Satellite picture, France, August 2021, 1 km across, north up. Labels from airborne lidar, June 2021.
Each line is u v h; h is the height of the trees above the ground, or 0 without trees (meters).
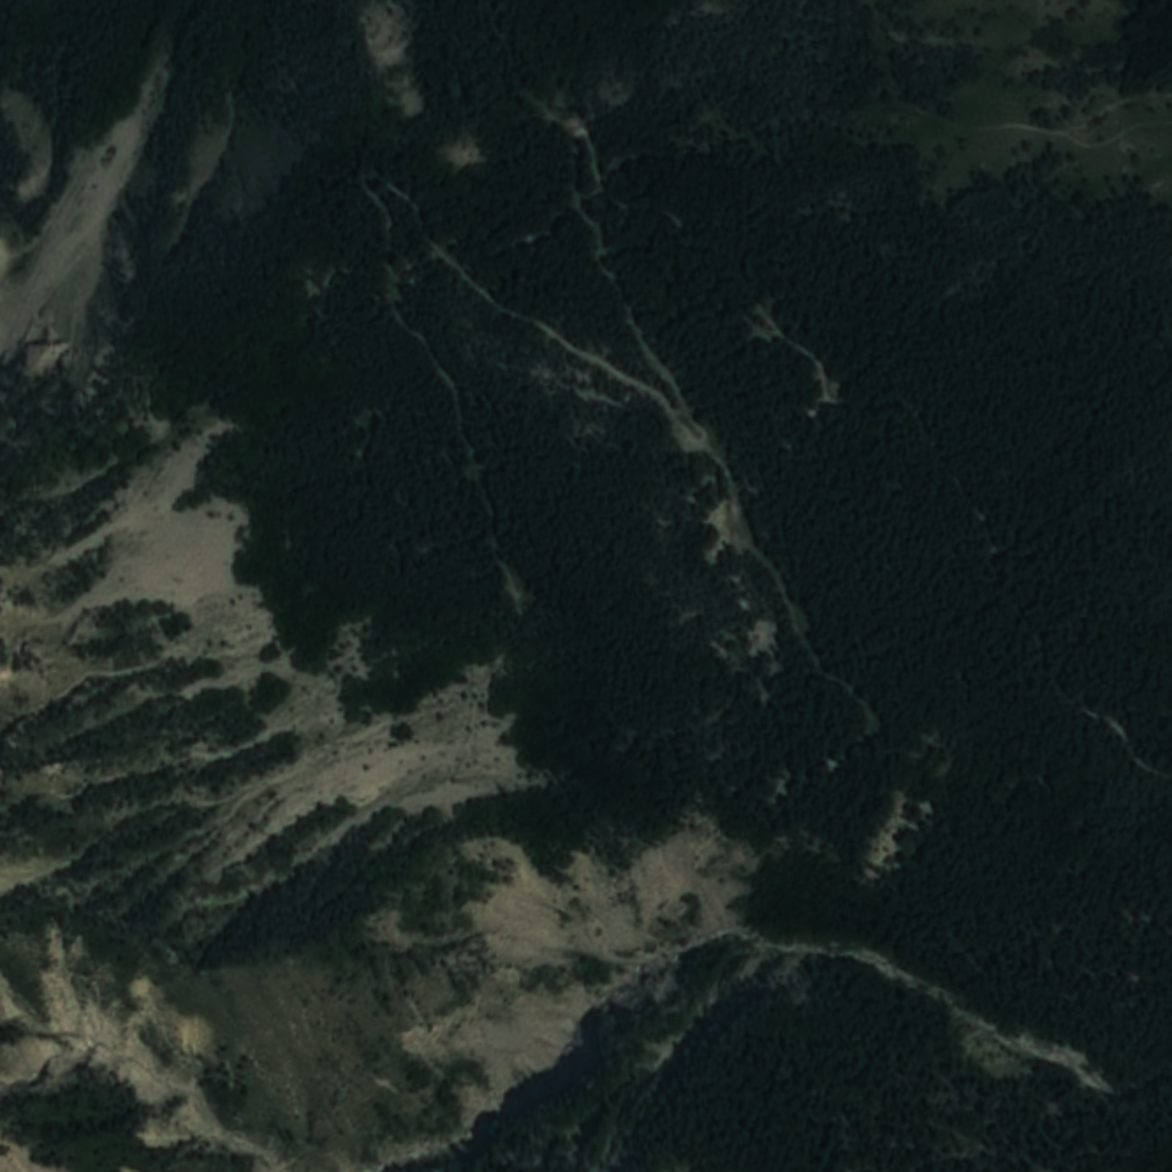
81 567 11
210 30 23
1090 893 23
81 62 21
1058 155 11
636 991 0
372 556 19
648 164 22
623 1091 8
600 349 6
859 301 19
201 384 17
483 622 10
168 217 11
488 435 22
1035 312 14
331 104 8
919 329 13
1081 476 20
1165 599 16
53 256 0
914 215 16
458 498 18
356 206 19
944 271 13
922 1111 10
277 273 13
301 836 7
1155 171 0
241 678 0
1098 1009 23
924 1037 17
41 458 6
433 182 18
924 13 0
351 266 10
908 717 16
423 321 22
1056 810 24
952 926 19
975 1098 25
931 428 20
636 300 19
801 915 15
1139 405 16
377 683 7
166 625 6
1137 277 8
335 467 17
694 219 22
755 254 20
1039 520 23
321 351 12
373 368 14
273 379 11
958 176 0
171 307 13
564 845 10
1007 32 0
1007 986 27
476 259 13
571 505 18
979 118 0
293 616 8
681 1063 8
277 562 10
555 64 15
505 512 23
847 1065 22
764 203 15
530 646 9
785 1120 21
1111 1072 13
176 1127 0
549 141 18
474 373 15
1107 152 0
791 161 11
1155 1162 13
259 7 13
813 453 21
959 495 17
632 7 22
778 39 13
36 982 0
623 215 14
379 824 6
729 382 18
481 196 20
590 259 15
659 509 6
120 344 7
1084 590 23
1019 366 20
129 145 0
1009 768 17
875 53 12
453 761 0
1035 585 20
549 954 0
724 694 13
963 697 18
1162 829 23
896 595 22
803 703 15
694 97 13
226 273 17
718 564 9
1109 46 6
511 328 13
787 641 14
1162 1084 14
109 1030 0
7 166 7
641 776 17
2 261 0
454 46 16
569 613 19
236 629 0
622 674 21
